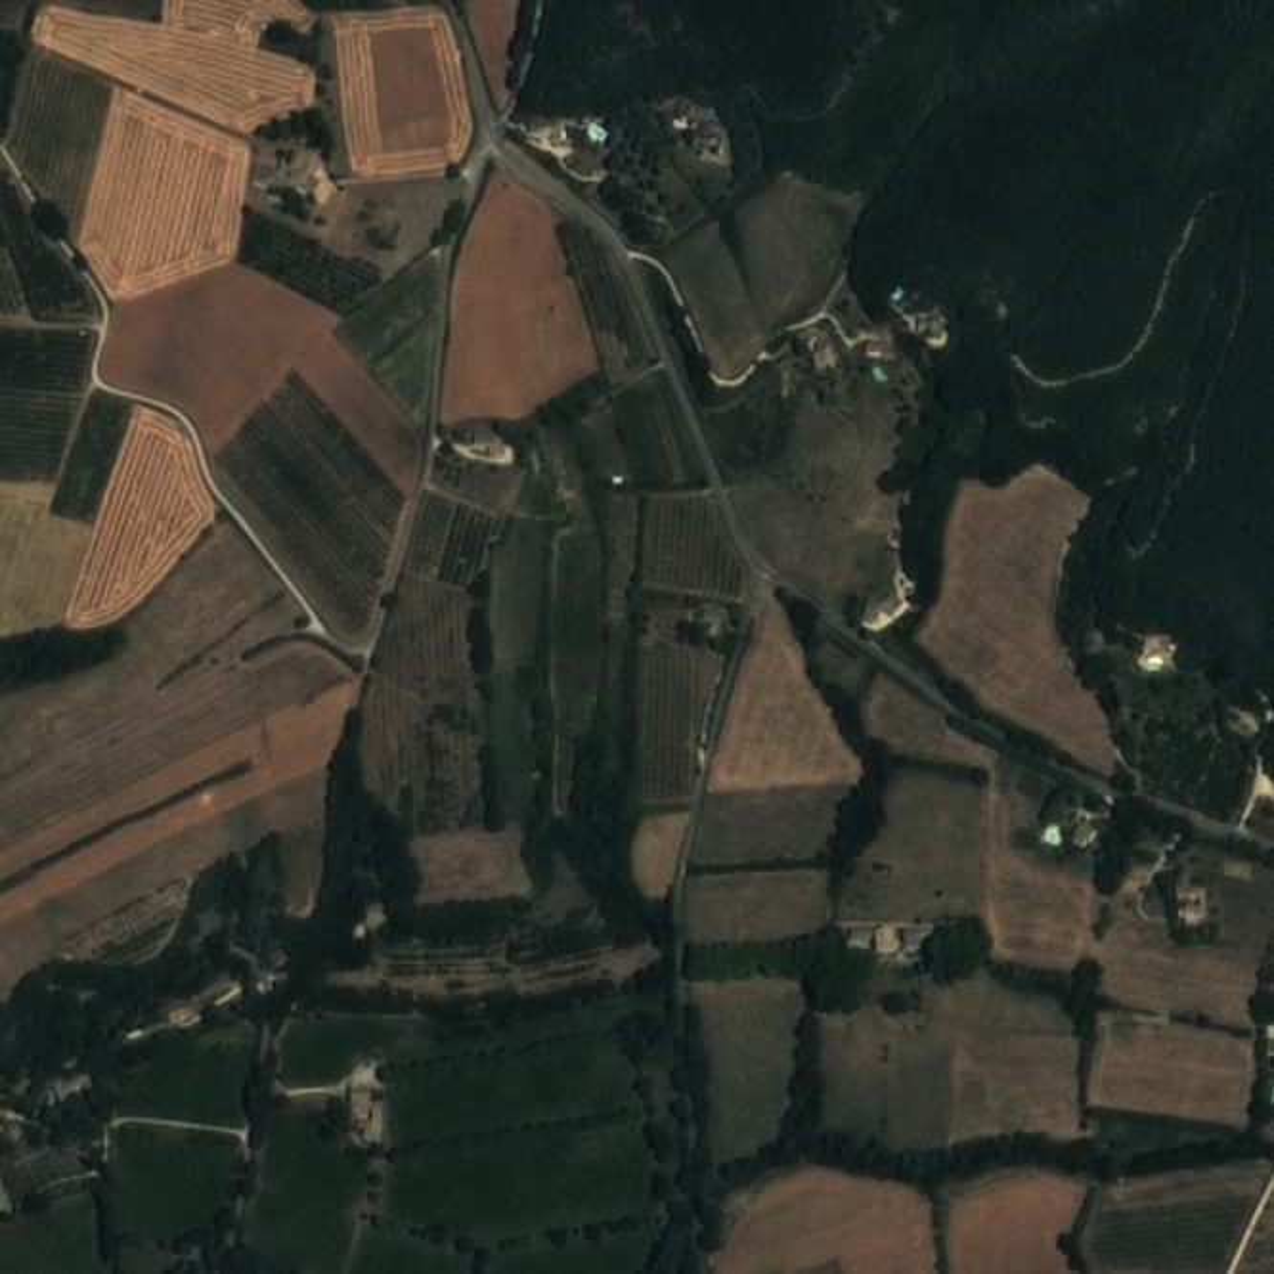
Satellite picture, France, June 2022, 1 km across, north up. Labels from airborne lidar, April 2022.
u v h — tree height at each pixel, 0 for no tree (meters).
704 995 0
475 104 0
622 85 7
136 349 0
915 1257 0
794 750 0
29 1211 13
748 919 0
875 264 13
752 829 0
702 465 0
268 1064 6
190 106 0
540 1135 15
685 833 0
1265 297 10
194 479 0
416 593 0
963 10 10
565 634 0
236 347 0
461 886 0
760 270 0
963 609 0
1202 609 7
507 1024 13
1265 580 7
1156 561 7
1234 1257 0
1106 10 7
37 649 13
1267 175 10
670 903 9
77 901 0
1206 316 7
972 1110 0
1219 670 18
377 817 16
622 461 0
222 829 0
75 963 10
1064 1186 0
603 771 15
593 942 13
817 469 0
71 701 0
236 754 0
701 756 0
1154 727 8
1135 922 0
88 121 0
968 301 7
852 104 5
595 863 11
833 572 0
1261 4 6
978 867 0
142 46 0
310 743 0
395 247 0
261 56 0
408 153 0
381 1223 14
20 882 0
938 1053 0
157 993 11
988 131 8
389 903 16
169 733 0
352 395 0
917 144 8
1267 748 14
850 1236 0
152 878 0
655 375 0
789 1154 27
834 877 8
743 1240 0
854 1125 0
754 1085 0
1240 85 6
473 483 0
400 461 0
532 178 0
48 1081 15
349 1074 0
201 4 0
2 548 0
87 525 0
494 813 11
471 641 10
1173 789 6
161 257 0
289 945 9
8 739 0
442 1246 23
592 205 0
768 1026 0
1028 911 0
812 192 0
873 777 13
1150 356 8
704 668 0
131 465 0
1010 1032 0
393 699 0
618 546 0
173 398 0
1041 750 19
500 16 0
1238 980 0
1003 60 6
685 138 10
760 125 7
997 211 6
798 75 8
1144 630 9
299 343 0
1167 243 8
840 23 8
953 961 33
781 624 0
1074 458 15
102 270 0
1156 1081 0
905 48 7
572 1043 15
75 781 0
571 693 0
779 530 0
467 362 0
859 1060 0
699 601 7
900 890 0
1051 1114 0
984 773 11
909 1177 15
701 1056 14
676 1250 21
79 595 0
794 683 0
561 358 0
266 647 10
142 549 0
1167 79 10
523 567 0
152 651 0
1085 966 11
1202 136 6
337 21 0
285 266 6
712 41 7
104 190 0
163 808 8
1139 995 0
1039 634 0
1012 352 6
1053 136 7
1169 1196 0
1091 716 0
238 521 0
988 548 0
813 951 25
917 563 16
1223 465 9
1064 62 9
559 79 9
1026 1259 0
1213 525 7
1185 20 11
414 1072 15
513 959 9
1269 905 0
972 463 13
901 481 14
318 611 0
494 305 0
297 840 0
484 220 0
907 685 0
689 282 0
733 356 0
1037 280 7
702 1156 15
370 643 0
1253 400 7
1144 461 11
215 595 0
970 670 0
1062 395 7
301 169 0
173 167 0
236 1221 13
